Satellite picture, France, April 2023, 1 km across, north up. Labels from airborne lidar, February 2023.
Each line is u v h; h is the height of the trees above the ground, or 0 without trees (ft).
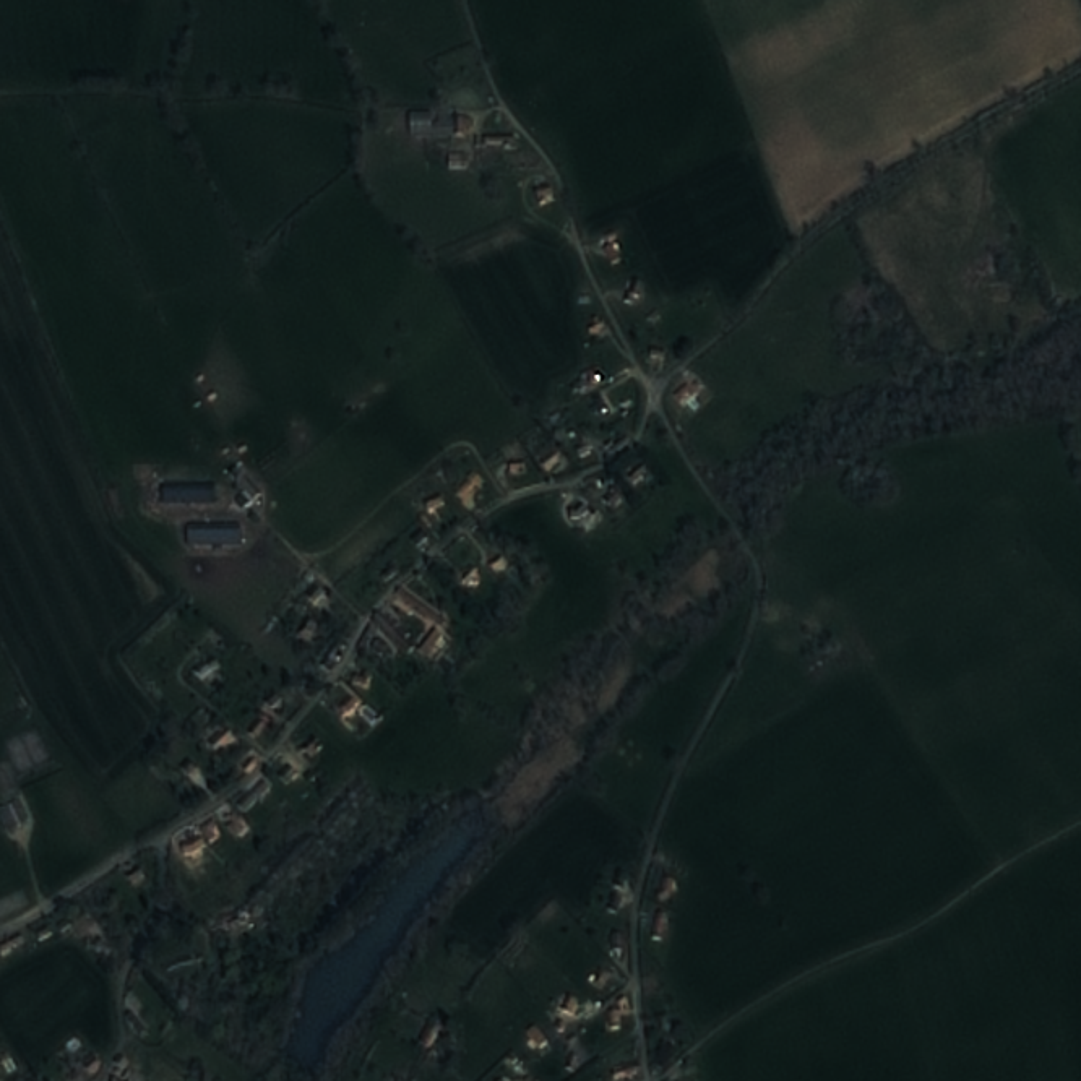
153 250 0
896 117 0
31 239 0
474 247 0
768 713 0
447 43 0
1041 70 0
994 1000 0
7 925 0
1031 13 0
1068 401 57
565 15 0
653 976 0
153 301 0
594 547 0
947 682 0
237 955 54
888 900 0
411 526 0
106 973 34
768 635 0
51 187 0
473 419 0
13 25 0
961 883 0
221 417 0
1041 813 0
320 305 0
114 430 0
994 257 0
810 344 0
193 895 0
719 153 0
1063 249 0
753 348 0
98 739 0
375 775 0
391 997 24
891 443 31
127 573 0
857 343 51
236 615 0
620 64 0
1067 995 0
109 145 0
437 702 0
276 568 0
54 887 0
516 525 0
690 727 0
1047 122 0
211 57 0
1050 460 0
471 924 0
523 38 0
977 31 0
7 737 0
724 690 0
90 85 60
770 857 0
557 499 30
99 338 0
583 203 0
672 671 54
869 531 0
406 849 51
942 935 0
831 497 0
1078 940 0
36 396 0
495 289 0
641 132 0
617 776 0
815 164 0
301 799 0
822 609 0
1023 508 0
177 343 0
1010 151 0
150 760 26
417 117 0
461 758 0
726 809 0
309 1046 0
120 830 0
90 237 0
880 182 69
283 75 0
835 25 0
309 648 29
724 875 0
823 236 21
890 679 0
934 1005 0
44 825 0
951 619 0
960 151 29
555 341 0
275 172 0
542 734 42
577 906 0
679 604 0
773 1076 0
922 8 0
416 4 0
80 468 0
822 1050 0
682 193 0
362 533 0
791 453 56
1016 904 0
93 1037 0
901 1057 0
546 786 0
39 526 0
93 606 0
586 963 0
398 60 0
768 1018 0
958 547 0
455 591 39
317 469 0
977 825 0
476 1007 0
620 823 0
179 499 0
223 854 0
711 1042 0
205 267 0
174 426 0
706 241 0
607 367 0
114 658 0
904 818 0
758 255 0
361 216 0
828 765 0
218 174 0
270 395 0
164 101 63
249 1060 22
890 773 0
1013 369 44
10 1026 0
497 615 65
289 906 29
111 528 0
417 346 0
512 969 0
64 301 0
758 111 0
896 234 0
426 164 0
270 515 0
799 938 0
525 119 0
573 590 0
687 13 0
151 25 0
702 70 0
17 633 0
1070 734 0
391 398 0
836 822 0
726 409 0
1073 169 0
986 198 0
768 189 0
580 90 0
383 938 0
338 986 0
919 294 0
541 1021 0
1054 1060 0
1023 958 0
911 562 0
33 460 0
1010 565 0
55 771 0
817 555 0
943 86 0
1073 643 0
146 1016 33
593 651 49
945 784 0
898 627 0
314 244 0
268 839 22
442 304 0
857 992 0
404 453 0
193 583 0
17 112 0
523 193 0
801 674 0
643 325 0
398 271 0
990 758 0
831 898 0
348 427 0
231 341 0
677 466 0
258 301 0
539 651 0
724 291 0
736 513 0
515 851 0
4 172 0
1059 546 0
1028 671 0
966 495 0
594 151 0
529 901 0
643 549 0
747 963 0
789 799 0
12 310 0
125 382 0
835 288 0
